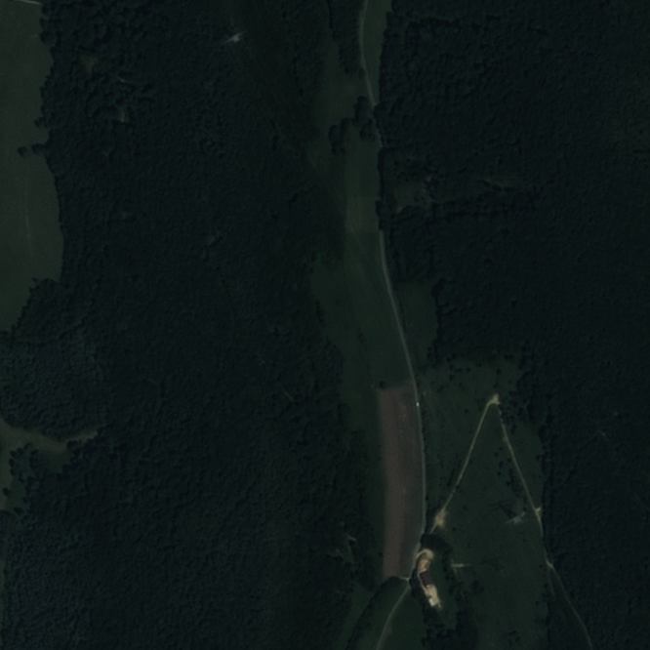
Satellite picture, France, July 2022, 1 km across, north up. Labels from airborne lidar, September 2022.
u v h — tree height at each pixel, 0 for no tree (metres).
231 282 12
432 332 0
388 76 19
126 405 23
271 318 24
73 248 10
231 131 17
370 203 0
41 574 18
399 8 21
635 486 27
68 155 21
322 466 25
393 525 0
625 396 25
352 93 0
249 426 16
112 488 24
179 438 23
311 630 17
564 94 23
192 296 15
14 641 16
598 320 17
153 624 10
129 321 21
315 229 32
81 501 24
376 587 23
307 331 27
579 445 16
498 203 10
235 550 10
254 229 20
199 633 15
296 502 21
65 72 16
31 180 0
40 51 0
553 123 24
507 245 29
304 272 29
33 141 0
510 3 33
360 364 0
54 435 17
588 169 19
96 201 20
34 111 0
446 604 0
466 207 12
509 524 0
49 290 8
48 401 21
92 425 23
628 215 16
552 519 22
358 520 15
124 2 29
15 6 0
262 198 25
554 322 24
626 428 23
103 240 23
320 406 22
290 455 28
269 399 21
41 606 20
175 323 14
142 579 18
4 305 0
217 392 17
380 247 0
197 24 12
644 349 23
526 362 14
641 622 23
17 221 0
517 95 31
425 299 0
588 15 25
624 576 21
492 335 30
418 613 0
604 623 10
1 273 0
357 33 14
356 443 10
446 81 20
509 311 24
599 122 22
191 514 22
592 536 17
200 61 13
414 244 9
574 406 17
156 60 25
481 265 27
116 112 26
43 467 19
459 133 32
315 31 23
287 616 16
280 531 13
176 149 14
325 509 22
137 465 26
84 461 19
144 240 24
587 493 16
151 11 29
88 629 23
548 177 22
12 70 0
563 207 20
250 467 13
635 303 23
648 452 27
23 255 0
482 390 0
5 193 0
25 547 18
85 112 6
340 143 20
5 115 0
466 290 25
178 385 15
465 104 33
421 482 0
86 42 26
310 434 27
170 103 17
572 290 20
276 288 28
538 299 25
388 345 0
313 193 6
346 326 0
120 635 15
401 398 0
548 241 23
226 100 15
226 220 15
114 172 22
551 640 13
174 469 14
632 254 20
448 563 8
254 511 15
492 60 21
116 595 18
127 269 24
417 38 8
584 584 16
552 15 29
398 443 0
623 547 23
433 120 29
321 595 26
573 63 24
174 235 15
